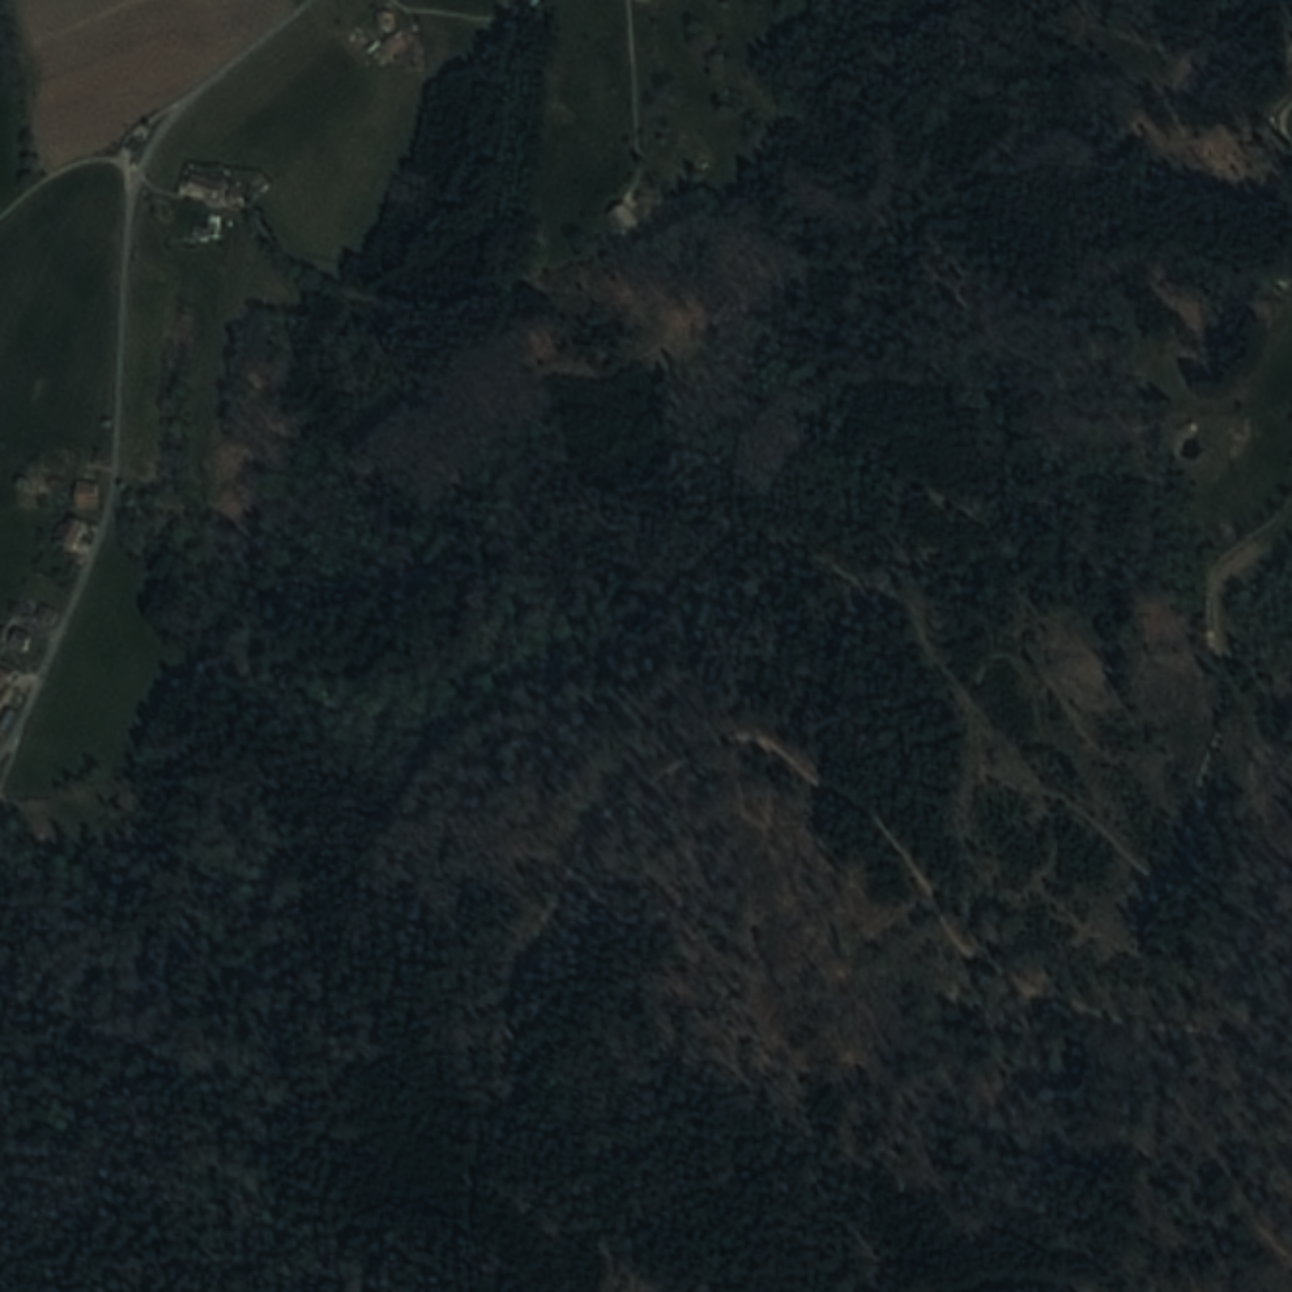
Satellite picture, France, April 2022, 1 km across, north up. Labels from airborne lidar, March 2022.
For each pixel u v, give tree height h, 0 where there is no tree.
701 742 12
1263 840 6
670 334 0
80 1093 31
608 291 0
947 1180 23
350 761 19
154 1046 32
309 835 26
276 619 31
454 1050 20
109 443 0
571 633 25
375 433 10
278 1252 22
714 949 24
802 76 21
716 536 24
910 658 14
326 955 20
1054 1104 40
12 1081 27
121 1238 18
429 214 14
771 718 30
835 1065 8
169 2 0
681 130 0
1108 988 13
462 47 0
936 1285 25
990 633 8
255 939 33
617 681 15
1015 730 8
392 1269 30
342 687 20
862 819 23
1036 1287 16
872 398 11
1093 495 24
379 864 28
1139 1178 18
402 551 25
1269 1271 25
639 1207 28
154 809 21
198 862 26
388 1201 13
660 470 14
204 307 0
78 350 0
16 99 15
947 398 13
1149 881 0
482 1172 7
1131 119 31
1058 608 27
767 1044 25
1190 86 0
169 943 35
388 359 9
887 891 10
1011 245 23
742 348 27
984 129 11
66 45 0
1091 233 21
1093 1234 21
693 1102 19
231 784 25
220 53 0
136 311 0
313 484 23
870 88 32
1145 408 19
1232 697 11
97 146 0
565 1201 23
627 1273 27
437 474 32
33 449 0
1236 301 17
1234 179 0
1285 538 0
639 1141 19
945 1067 30
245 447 25
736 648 24
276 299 0
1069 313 27
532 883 16
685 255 23
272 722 22
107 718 0
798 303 7
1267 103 29
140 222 0
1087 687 0
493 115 25
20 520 0
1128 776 7
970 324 35
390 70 0
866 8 25
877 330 22
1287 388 0
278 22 0
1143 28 30
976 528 10
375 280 14
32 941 30
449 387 28
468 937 21
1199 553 17
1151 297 19
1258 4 21
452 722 16
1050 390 30
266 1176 30
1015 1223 25
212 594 8
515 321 29
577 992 20
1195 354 17
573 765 32
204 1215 19
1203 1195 21
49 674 0
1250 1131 27
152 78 0
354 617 36
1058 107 16
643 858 27
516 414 29
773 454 23
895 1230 14
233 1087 31
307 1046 30
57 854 8
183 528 20
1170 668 0
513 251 27
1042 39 10
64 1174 19
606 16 0
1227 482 0
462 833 30
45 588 0
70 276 0
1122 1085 30
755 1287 22
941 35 29
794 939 7
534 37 19
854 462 19
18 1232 23
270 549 29
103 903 24
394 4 0
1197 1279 16
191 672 0
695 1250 21
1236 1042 0
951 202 23
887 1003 26
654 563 21
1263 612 15
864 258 23
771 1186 20
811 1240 19
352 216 0
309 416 20
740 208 25
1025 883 6
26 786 0
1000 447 15
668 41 0
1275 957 39
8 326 0
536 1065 14
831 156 22
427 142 10
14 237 0
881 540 20
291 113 0
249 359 21
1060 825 6
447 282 14
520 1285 12
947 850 23
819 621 27
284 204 0
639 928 23
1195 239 27
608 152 0
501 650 7
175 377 14
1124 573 17
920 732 27
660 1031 20
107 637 0
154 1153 19
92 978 32
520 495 18
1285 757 30
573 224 0
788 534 26
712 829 12
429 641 31
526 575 20
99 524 0
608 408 7
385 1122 15
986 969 14
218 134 0
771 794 13
